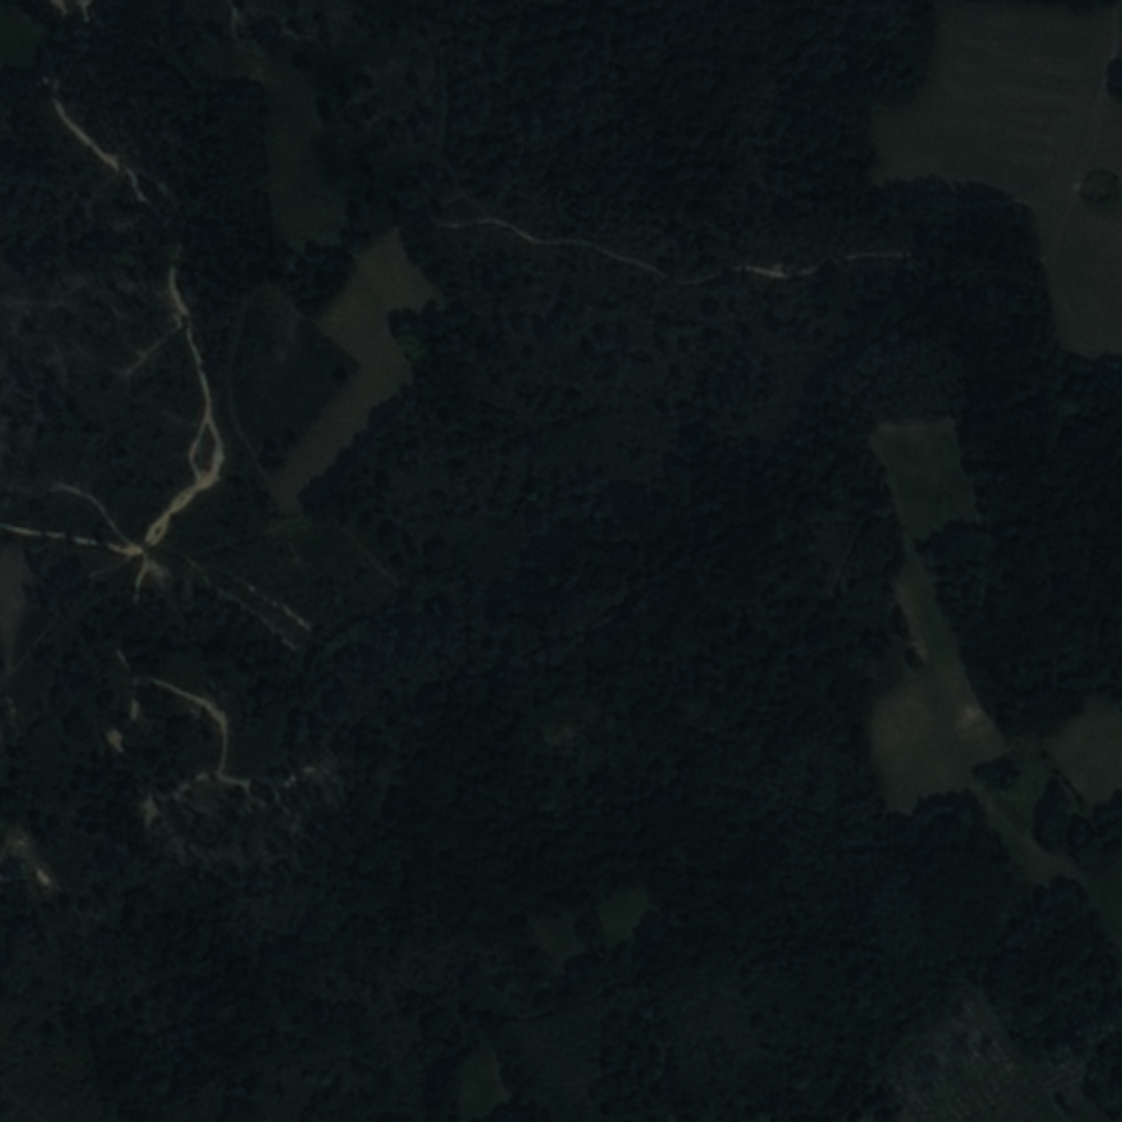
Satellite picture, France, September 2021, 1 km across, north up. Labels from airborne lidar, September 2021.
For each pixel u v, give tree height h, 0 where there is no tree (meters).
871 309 18
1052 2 12
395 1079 15
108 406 0
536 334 20
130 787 14
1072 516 20
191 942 21
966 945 26
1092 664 20
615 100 19
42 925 21
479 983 21
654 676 18
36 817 16
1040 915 16
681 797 21
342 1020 12
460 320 16
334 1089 9
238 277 20
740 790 6
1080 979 12
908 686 0
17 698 0
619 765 8
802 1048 11
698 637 14
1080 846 17
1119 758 0
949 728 0
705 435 13
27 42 0
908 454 0
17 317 0
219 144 13
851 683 21
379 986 14
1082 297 0
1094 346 0
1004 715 16
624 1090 18
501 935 15
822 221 8
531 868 23
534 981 18
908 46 18
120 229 0
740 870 21
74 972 6
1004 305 19
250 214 13
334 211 0
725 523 18
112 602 7
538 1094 7
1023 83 0
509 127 21
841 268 10
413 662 23
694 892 27
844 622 14
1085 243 0
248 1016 27
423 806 18
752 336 21
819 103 22
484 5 19
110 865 22
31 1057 7
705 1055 10
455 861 24
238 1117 16
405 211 18
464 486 7
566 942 0
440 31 21
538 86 13
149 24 24
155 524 0
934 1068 0
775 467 18
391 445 13
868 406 24
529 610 21
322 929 18
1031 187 0
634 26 17
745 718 11
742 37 20
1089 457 19
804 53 15
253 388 0
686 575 22
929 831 21
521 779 17
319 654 15
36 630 0
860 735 19
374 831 16
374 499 13
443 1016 11
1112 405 17
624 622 18
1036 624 21
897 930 21
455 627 21
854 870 16
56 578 11
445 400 17
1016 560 22
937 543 8
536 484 11
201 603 15
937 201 20
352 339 0
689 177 19
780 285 8
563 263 8
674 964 21
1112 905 0
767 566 17
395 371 0
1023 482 22
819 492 18
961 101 0
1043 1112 0
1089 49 0
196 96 21
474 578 8
